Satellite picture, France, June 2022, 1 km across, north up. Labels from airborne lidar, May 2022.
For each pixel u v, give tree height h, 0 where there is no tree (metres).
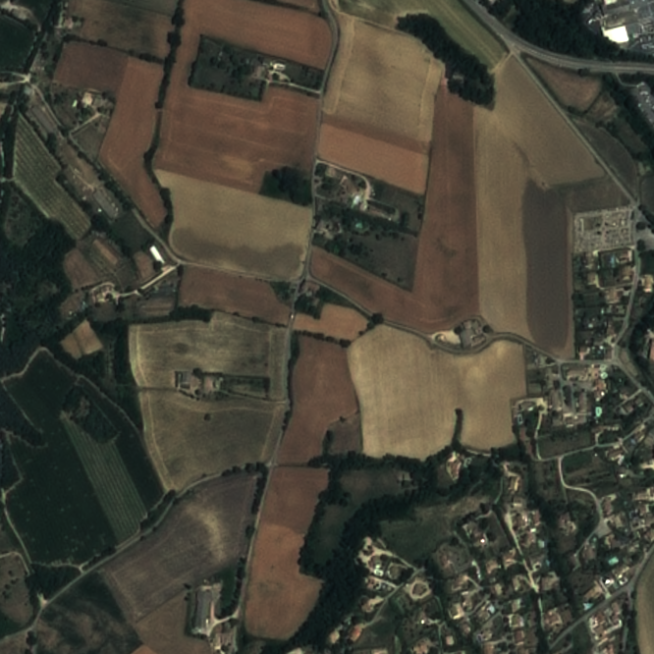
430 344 0
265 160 0
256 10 0
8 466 13
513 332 0
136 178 0
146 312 0
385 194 0
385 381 0
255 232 0
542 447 0
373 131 0
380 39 0
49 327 11
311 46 0
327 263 0
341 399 0
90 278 0
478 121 0
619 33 0
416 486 9
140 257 0
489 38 0
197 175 0
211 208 0
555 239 0
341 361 0
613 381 15
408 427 0
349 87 0
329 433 11
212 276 0
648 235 0
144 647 0
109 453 0
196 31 0
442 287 0
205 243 0
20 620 0
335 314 0
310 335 10
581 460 0
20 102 6
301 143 0
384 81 0
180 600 0
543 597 14
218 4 0
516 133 0
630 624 12
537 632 9
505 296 0
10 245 10
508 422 0
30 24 10
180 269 9
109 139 0
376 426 0
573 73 0
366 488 0
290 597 0
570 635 6
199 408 0
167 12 0
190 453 0
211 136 0
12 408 17
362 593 7
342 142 0
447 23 0
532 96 0
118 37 0
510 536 8
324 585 10
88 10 0
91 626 0
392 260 0
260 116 0
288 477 0
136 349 0
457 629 9
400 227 9
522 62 0
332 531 0
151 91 0
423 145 0
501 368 0
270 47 0
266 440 0
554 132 0
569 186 0
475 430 0
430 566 11
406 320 0
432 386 0
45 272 10
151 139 0
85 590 0
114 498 0
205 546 0
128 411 8
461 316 0
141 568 0
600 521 0
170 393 0
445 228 0
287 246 0
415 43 0
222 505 0
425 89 0
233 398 0
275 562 0
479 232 0
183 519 0
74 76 0
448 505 5
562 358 0
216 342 0
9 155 12
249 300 0
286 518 0
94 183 0
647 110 0
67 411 10
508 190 0
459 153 0
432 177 0
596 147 0
